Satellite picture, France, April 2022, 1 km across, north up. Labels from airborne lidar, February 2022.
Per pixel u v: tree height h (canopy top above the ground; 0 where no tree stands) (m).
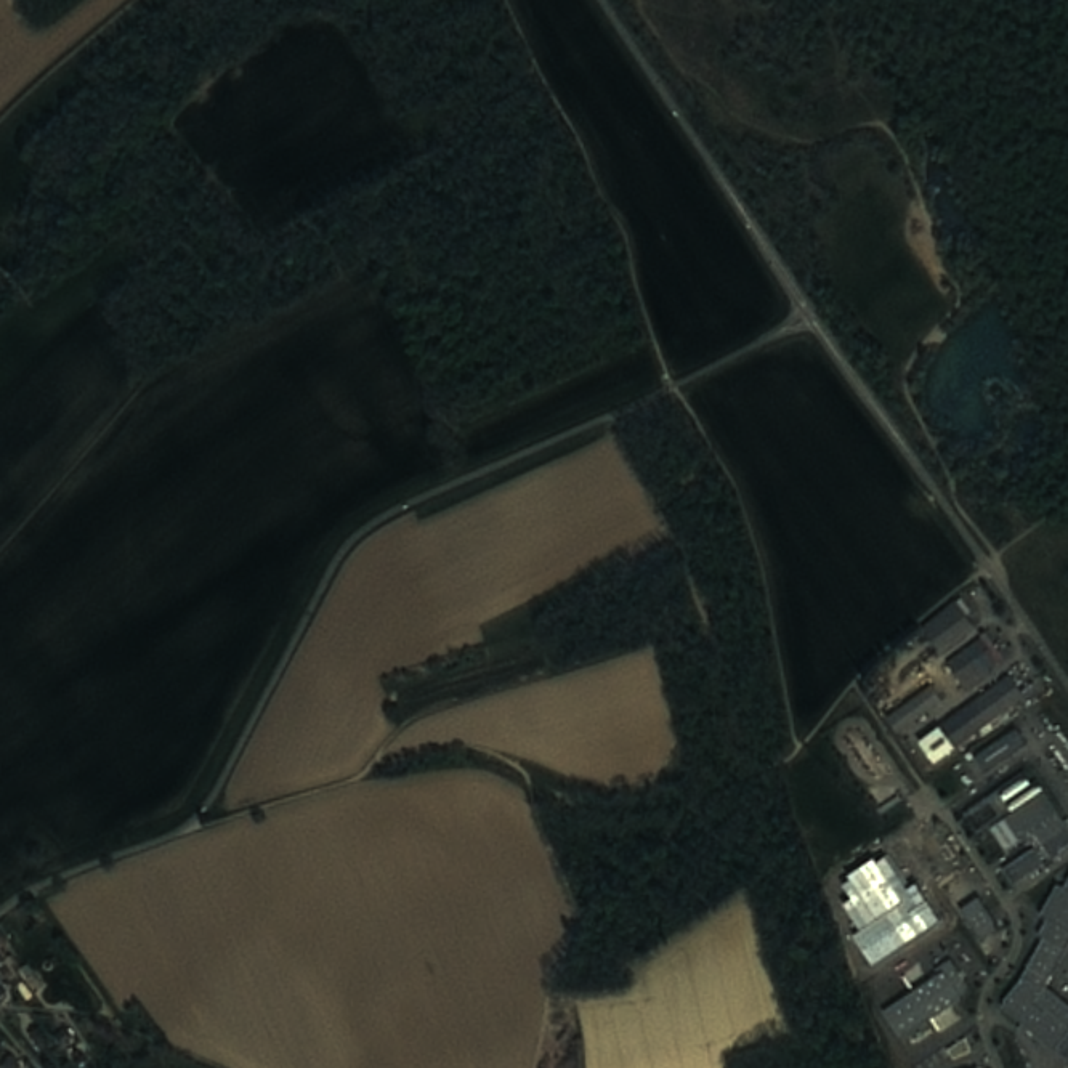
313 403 0
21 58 0
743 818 30
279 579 0
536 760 0
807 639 0
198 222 29
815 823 0
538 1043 0
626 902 29
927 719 0
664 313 0
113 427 0
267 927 0
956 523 0
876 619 0
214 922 0
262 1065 0
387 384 0
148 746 0
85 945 0
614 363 0
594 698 0
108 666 0
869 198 0
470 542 0
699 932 0
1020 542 0
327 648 0
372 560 0
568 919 0
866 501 0
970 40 18
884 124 0
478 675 0
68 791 0
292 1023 0
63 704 0
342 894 0
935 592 0
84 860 0
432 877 0
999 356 0
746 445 0
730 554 24
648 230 0
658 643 18
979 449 16
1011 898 0
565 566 0
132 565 0
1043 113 13
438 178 28
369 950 0
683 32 0
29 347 0
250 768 0
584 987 27
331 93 0
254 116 0
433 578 0
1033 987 0
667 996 0
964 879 0
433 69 19
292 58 0
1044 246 17
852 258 0
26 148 20
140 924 0
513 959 0
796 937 29
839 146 14
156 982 0
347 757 0
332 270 18
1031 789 0
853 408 0
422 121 0
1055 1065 0
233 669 0
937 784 0
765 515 0
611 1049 0
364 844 0
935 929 0
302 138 0
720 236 0
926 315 0
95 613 0
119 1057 16
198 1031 0
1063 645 0
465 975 0
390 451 0
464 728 0
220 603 0
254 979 0
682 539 19
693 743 17
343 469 0
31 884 7
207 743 0
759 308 0
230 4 26
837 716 0
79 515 0
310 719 0
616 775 0
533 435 0
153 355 18
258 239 24
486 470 0
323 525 0
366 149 0
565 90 0
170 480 0
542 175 22
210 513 0
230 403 0
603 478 0
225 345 0
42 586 0
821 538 0
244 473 0
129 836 0
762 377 0
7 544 0
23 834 0
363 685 0
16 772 0
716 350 0
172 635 0
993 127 11
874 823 0
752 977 0
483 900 0
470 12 28
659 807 32
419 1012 0
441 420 19
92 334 0
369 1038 0
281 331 0
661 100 0
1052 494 14
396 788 0
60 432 0
